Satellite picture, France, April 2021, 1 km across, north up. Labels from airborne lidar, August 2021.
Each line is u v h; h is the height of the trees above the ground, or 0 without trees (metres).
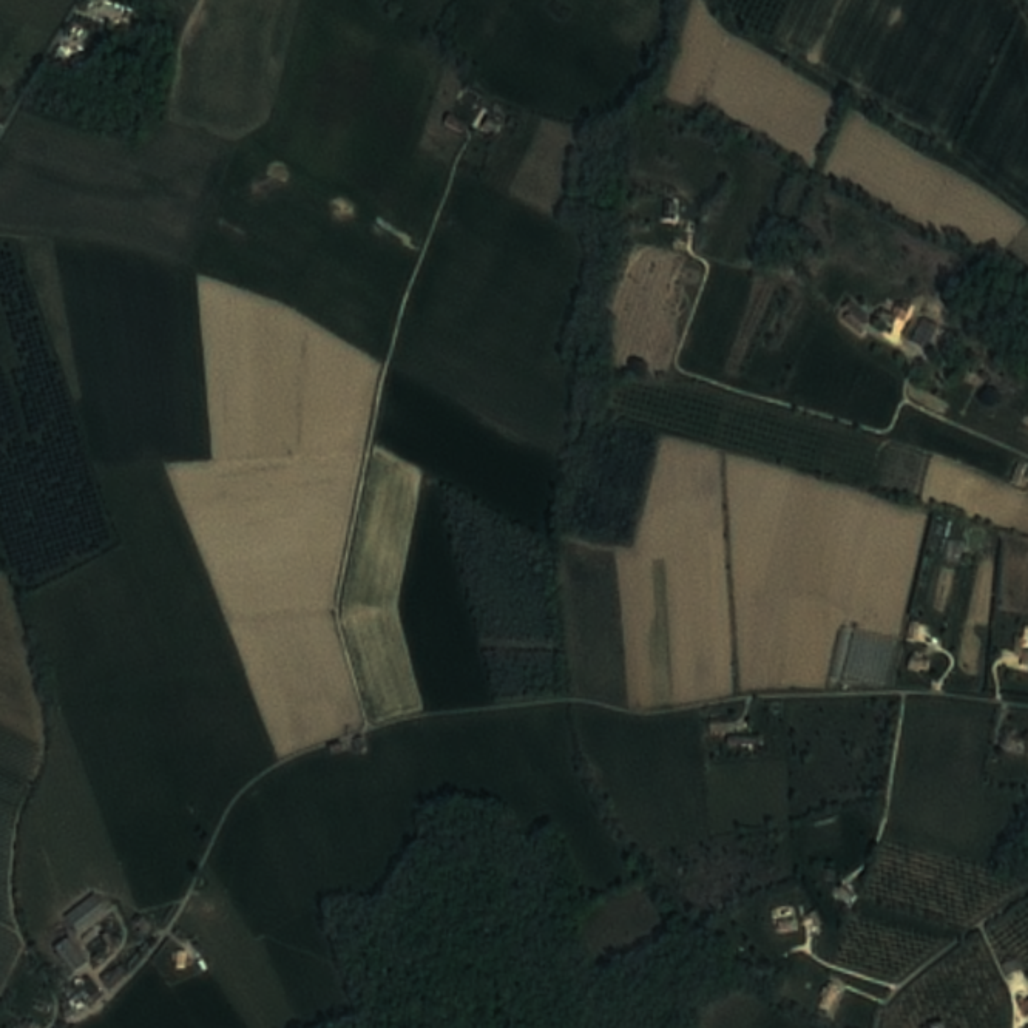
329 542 0
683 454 0
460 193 0
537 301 0
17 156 0
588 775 17
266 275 0
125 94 18
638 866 13
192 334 0
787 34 0
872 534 0
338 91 0
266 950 0
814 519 0
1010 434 0
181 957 0
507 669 9
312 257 0
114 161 0
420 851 17
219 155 0
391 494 0
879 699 9
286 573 0
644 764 0
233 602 0
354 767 0
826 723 0
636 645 0
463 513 7
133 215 0
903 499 11
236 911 0
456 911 21
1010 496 0
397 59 0
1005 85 0
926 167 0
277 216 0
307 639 0
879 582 0
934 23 0
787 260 22
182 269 0
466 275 0
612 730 0
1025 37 0
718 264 0
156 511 0
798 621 0
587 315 19
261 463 0
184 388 0
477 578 11
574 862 12
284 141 0
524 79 0
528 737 0
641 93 18
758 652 0
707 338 0
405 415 0
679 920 13
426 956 23
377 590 0
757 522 0
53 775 0
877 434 0
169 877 0
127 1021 0
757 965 12
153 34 23
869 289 0
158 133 0
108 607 0
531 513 0
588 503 11
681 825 0
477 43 0
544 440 0
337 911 17
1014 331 21
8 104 8
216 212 0
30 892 0
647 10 0
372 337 0
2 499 9
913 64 0
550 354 0
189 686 0
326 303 0
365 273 0
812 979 0
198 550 0
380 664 0
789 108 0
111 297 0
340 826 0
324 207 0
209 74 0
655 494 0
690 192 0
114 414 0
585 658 0
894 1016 0
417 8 0
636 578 0
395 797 0
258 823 0
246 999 0
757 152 9
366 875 0
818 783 0
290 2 0
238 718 0
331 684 0
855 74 0
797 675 0
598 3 0
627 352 0
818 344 0
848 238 0
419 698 0
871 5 0
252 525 0
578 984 21
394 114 0
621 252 16
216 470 0
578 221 16
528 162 0
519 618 9
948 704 0
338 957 15
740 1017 0
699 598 0
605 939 0
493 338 0
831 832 0
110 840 0
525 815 0
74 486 9
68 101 13
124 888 0
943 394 8
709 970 22
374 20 0
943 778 0
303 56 0
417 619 0
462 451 0
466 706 0
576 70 0
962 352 18
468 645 0
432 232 0
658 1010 19
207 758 0
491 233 0
